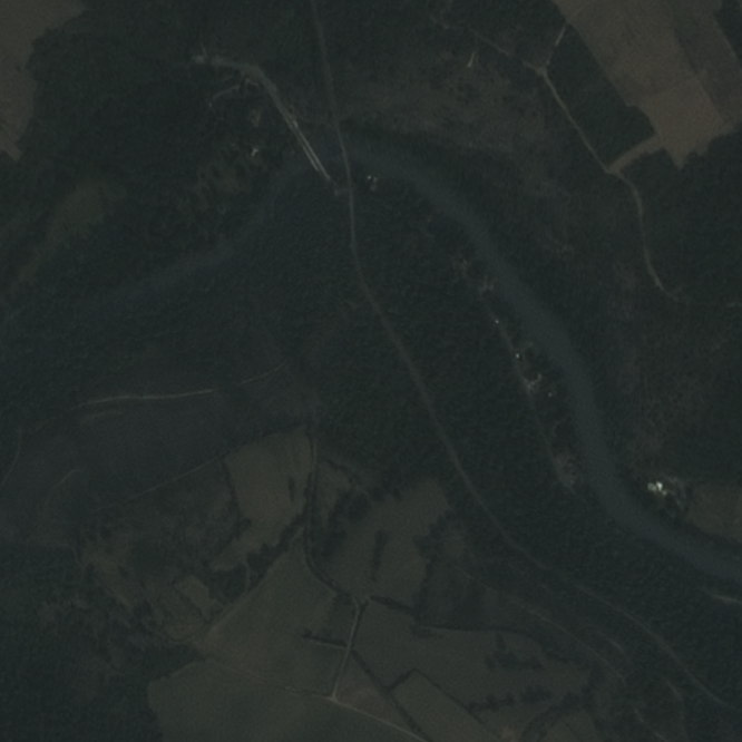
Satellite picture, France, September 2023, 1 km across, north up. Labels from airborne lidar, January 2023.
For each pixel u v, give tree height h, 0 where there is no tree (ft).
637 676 51
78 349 84
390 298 49
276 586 0
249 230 0
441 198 0
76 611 32
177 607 0
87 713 37
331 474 0
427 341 60
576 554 50
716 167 36
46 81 27
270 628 0
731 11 28
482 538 72
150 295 83
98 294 50
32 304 58
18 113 0
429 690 0
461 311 32
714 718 56
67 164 74
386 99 0
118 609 25
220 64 0
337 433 44
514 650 0
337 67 52
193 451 0
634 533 51
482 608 0
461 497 23
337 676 0
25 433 0
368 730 0
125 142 69
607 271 23
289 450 0
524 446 82
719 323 23
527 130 0
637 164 27
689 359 31
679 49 0
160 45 29
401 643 0
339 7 56
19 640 24
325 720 0
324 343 0
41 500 0
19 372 87
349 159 0
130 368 0
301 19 60
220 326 67
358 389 38
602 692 0
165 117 66
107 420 0
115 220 83
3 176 39
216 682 0
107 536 30
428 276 62
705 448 46
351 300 29
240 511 32
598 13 0
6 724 85
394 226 57
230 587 32
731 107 0
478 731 0
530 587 25
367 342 51
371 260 51
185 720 0
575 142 29
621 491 0
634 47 0
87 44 47
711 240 55
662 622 58
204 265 0
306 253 46
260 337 0
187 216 0
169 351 64
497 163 31
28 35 0
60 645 33
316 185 44
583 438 0
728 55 0
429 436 56
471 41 29
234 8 40
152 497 0
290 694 0
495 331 42
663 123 0
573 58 24
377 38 48
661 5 0
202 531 0
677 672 58
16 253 67
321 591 0
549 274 82
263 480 0
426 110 0
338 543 52
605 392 76
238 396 71
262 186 63
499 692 0
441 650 0
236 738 0
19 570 33
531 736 0
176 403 0
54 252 0
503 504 82
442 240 70
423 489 0
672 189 28
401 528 0
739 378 63
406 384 26
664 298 35
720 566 0
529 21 30
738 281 54
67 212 0
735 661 82
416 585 0
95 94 43
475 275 54
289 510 0
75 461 0
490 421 62
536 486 88
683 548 0
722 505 0
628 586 36
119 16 42
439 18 0
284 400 0
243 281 75
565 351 0
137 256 90
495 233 70
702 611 71
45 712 70
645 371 24
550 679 0
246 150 20
